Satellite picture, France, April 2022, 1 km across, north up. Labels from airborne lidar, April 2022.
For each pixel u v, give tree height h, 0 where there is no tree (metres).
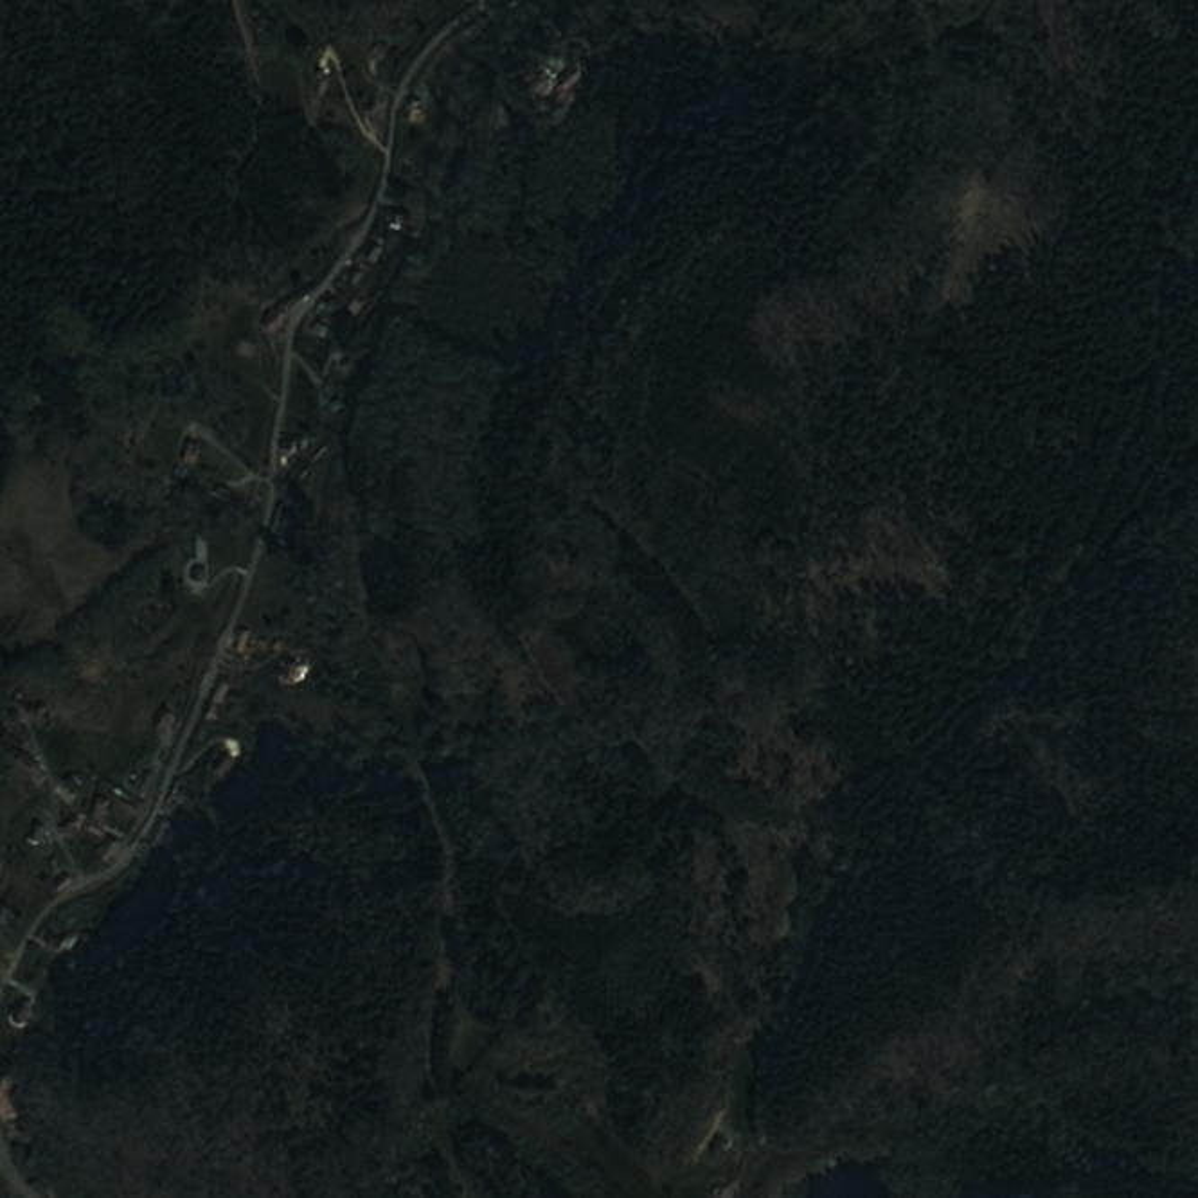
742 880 19
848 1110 23
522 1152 8
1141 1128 27
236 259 23
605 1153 0
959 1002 19
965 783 33
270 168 16
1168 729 22
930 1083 26
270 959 26
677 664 20
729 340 7
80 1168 14
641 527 5
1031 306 25
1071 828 27
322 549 8
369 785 24
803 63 17
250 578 0
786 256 19
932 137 20
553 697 7
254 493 0
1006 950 21
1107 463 35
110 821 0
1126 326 28
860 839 19
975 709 27
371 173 0
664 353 7
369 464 22
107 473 20
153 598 21
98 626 21
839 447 30
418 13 8
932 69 23
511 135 7
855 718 21
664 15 6
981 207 0
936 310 16
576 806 16
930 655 35
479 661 9
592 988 13
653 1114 13
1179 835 14
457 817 31
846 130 14
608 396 7
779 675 27
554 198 14
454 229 13
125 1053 22
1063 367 31
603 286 29
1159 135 37
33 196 29
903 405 31
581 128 12
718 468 7
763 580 6
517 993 33
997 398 22
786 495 6
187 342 15
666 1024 21
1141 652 31
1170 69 32
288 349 0
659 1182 0
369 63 0
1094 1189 30
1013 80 15
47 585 0
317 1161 27
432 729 19
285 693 11
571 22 22
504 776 9
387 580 37
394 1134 26
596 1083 8
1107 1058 23
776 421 6
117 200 11
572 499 23
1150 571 24
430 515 20
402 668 17
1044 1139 7
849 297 19
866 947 28
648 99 16
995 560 31
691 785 13
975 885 25
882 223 13
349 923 27
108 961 23
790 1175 0
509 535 21
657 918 14
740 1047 9
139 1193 19
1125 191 32
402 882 20
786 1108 28
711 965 15
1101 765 36
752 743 7
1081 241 25
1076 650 31
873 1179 7
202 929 32
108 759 0
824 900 17
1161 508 22
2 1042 0
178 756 0
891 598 29
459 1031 21
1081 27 28
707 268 6
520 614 21
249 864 29
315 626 7
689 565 7
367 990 33
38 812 0
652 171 15
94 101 29
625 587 18
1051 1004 29
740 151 33
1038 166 19
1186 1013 29
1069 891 14
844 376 25
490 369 20
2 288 33
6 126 31
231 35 31
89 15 25
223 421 12
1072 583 7
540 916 11
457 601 18
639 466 7
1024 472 35
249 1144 22
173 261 33
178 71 18
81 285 32
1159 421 34
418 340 23
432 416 26
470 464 19
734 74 10
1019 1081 21
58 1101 14
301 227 15
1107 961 28
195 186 29
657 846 27
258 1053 22
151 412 17
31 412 20
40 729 0
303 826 24
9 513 0
